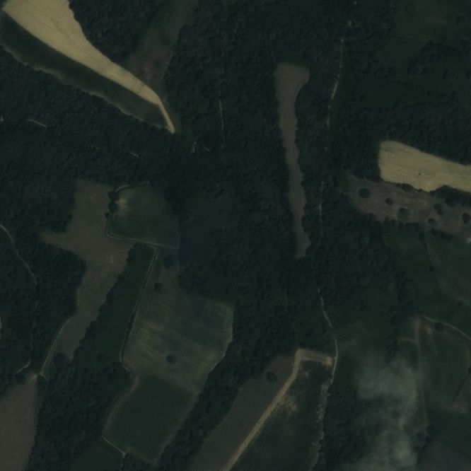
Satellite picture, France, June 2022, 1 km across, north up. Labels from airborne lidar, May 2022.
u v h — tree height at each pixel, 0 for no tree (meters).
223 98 21
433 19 0
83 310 0
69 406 11
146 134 18
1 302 15
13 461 0
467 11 0
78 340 0
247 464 0
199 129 23
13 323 21
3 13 0
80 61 0
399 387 0
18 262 10
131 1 16
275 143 14
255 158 18
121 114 7
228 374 26
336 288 11
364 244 15
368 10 28
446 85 0
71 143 23
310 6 23
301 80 0
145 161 10
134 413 0
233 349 17
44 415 22
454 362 0
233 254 9
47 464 5
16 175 16
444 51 15
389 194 0
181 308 0
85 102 12
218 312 0
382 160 0
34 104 16
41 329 11
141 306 0
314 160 18
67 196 23
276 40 13
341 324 0
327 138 24
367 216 11
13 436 0
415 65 23
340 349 0
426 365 0
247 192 22
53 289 15
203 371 0
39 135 7
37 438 13
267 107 14
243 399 0
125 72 0
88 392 16
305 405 0
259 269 10
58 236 0
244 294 7
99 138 15
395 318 18
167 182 24
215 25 17
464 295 0
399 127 14
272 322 7
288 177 17
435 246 0
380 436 6
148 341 0
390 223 18
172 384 0
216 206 0
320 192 17
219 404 10
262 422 0
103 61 0
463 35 0
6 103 16
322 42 17
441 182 0
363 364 0
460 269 0
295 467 0
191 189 24
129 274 0
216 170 22
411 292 22
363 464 18
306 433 0
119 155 10
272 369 0
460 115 16
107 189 0
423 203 0
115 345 0
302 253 0
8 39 0
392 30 16
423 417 0
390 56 0
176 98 13
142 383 0
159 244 0
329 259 16
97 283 0
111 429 0
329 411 14
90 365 0
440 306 0
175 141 16
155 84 0
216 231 10
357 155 9
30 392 0
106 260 0
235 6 8
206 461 0
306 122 15
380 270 15
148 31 0
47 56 0
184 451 16
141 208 0
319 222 15
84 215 0
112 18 24
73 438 24
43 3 0
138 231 0
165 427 0
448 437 0
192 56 17
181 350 0
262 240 22
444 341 0
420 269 0
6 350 18
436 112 14
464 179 0
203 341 0
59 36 0
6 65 10
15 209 13
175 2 0
